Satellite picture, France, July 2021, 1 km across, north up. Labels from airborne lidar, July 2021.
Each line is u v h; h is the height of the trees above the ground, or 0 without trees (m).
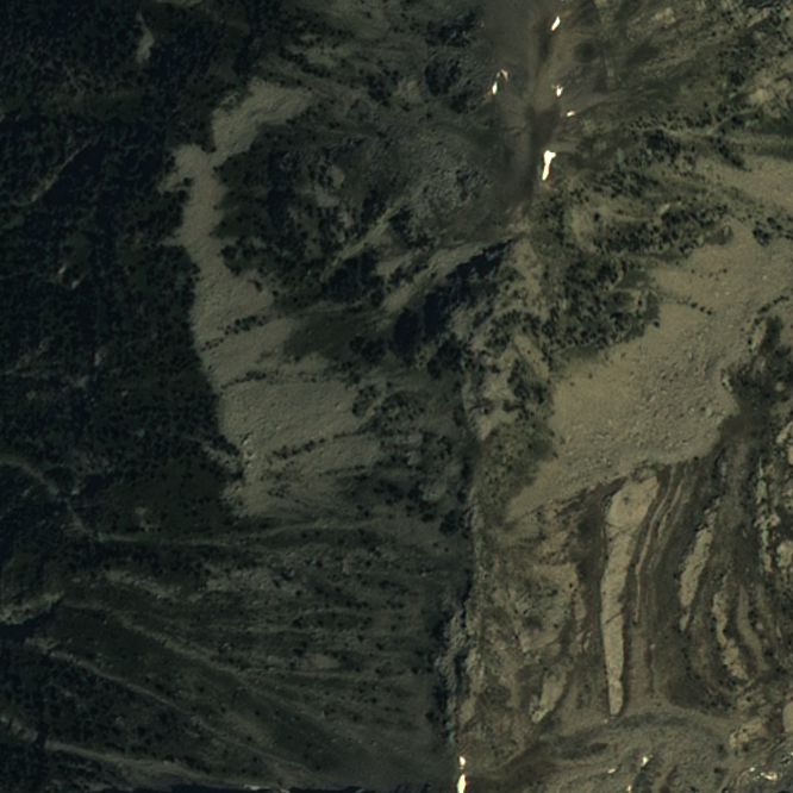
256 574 0
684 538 0
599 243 6
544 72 0
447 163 0
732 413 0
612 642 0
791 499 0
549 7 0
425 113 0
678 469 0
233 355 0
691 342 0
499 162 0
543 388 7
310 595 0
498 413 0
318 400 0
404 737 0
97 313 8
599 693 0
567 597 0
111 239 8
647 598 0
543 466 0
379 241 0
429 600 0
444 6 0
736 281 0
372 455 0
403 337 10
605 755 0
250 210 0
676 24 0
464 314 0
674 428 0
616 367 0
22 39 12
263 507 0
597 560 0
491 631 0
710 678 0
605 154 0
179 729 7
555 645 0
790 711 0
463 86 0
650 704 0
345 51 0
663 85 0
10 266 8
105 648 0
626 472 0
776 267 0
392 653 0
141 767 0
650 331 0
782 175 0
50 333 14
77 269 9
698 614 0
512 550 0
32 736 0
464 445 0
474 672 0
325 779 0
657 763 0
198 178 0
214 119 0
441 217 0
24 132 18
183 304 12
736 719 0
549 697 0
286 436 0
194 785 0
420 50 0
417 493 7
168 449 11
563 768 0
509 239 0
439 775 0
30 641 0
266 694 0
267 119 0
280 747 0
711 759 0
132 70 12
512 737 0
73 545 6
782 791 0
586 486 0
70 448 0
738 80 10
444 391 0
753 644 0
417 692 0
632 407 0
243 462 0
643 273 0
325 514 0
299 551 0
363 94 0
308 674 0
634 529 0
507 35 0
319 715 0
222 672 0
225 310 0
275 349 0
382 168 0
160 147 12
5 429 8
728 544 0
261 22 8
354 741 0
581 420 0
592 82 0
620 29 0
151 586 0
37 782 11
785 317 0
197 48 15
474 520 0
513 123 0
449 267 0
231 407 0
